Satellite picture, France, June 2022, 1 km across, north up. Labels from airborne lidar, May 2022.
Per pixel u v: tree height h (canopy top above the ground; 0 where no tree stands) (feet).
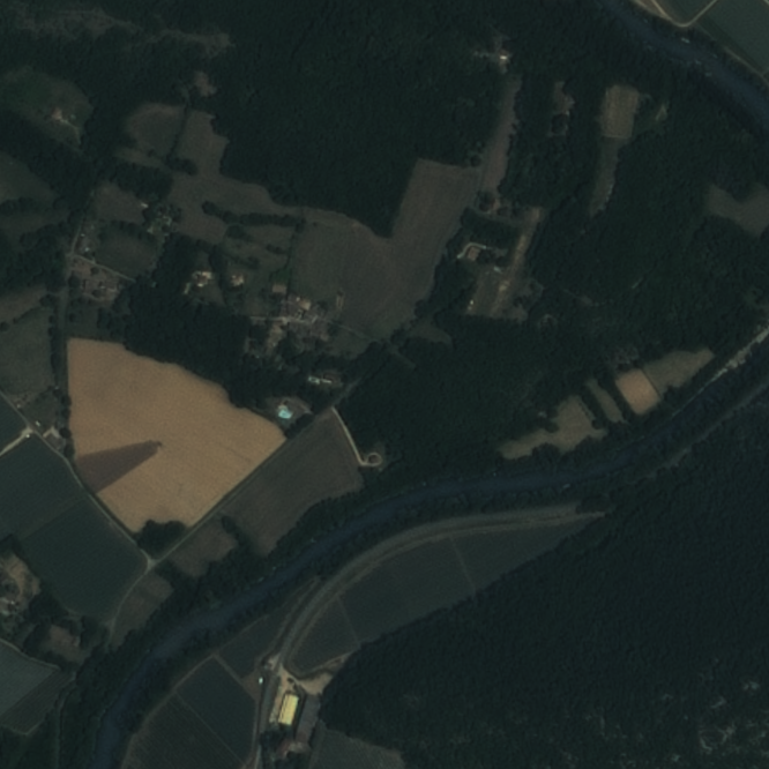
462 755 30
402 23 72
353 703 48
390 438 67
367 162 55
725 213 0
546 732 18
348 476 0
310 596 0
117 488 0
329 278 0
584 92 67
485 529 0
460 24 79
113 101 57
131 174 58
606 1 0
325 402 61
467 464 75
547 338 59
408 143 51
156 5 31
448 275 56
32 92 0
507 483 0
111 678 64
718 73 0
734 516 31
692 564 35
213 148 0
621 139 0
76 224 48
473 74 64
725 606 50
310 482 0
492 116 69
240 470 0
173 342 57
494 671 35
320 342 32
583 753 19
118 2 37
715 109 86
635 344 58
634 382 0
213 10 30
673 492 26
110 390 0
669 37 40
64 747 24
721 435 41
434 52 67
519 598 69
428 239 0
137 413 0
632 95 0
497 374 52
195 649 31
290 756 44
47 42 35
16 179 0
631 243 28
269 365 33
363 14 65
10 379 0
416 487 29
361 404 49
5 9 24
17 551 23
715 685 28
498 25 44
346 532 0
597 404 31
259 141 45
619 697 37
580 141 74
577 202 45
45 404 0
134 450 0
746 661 28
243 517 0
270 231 0
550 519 0
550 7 85
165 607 42
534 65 34
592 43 69
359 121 47
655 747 25
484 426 52
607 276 58
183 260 55
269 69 47
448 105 52
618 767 23
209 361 58
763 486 34
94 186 36
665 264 43
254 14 43
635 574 41
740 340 36
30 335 0
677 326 56
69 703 26
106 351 0
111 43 32
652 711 18
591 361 27
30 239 45
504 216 32
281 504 0
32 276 47
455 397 26
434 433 51
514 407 27
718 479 19
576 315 30
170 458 0
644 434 22
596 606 34
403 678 53
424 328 0
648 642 41
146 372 0
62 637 0
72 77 48
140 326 49
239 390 59
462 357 58
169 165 55
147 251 0
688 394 45
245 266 20
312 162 58
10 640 22
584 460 72
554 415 54
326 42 71
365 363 56
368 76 66
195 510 0
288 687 0
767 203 0
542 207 51
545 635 55
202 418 0
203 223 0
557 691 32
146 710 35
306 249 0
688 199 57
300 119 33
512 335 64
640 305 44
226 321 68
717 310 75
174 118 0
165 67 51
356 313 0
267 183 45
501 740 27
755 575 43
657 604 37
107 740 0
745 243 66
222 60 31
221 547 0
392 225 82
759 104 0
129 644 50
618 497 65
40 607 54
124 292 42
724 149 31
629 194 55
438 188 0
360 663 65
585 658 33
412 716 26
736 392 61
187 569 0
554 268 64
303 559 0
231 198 0
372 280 0
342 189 60
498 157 0
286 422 0
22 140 56
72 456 39
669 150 48
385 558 0
